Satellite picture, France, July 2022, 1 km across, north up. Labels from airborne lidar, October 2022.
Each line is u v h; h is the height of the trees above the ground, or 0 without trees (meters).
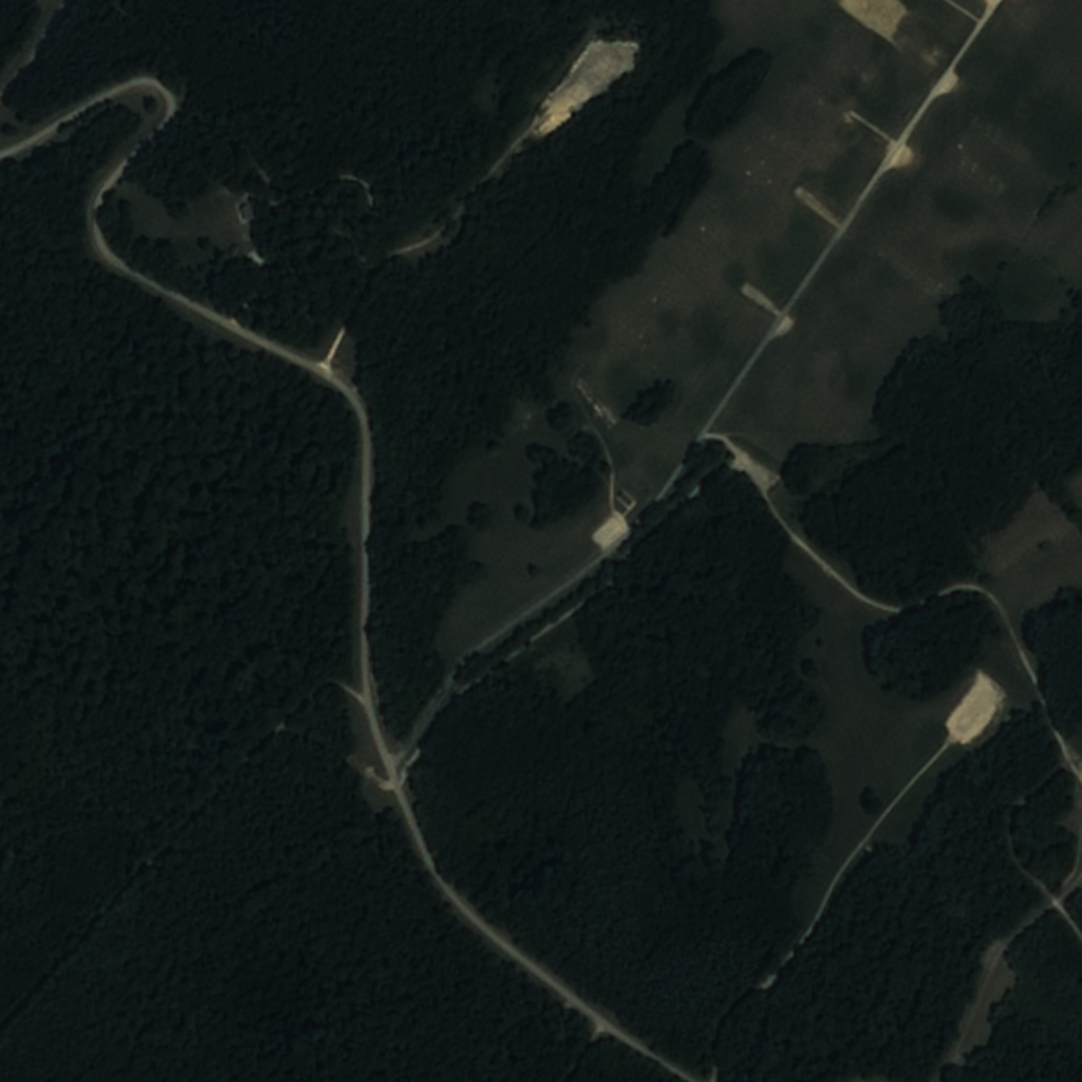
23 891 20
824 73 0
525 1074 15
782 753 23
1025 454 17
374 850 13
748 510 23
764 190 0
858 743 0
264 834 21
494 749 14
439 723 9
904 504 21
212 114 24
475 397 10
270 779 17
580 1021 16
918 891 19
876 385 0
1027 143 0
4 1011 9
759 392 0
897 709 0
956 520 19
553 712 11
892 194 0
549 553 0
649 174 0
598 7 10
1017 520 0
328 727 16
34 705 23
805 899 0
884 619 0
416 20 12
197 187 23
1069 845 14
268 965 14
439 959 20
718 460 14
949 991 18
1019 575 0
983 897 14
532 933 14
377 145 13
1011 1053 16
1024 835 18
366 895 24
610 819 14
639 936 15
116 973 18
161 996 27
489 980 18
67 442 22
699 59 19
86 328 21
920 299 0
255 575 21
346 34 10
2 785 7
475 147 19
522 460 0
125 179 6
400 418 17
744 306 0
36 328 22
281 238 10
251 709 24
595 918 12
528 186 13
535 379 18
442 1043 17
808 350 0
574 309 16
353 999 22
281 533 20
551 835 7
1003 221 0
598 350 0
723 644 23
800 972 16
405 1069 21
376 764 0
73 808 7
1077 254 0
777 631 10
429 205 13
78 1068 22
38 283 14
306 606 13
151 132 0
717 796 8
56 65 22
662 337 0
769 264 0
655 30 14
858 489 17
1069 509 7
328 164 13
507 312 19
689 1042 19
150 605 7
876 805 19
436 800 14
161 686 25
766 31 0
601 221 20
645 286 0
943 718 0
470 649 0
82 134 10
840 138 0
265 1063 23
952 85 0
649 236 13
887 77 0
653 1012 19
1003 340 20
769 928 16
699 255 0
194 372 25
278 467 26
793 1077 20
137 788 27
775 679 22
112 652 24
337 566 22
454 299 13
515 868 8
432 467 20
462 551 12
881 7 0
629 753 10
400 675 15
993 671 0
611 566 12
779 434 0
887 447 8
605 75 0
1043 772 15
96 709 19
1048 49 0
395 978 25
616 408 0
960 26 0
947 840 6
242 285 23
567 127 8
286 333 20
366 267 12
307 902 23
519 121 12
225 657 21
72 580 34
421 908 25
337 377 0
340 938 23
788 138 0
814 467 6
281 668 22
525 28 20
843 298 0
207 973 26
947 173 0
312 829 23
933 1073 16
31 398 21
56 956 7
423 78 9
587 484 17
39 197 18
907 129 0
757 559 23
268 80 13
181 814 12
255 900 23
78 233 14
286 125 27
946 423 17
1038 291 0
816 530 18
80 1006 19
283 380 24
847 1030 20
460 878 9
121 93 0
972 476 20
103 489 6
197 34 16
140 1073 23
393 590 22
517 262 13
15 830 9
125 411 24
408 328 23
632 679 20
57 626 30
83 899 7
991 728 0
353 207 24
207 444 24
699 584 20
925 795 0
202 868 17
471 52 21
